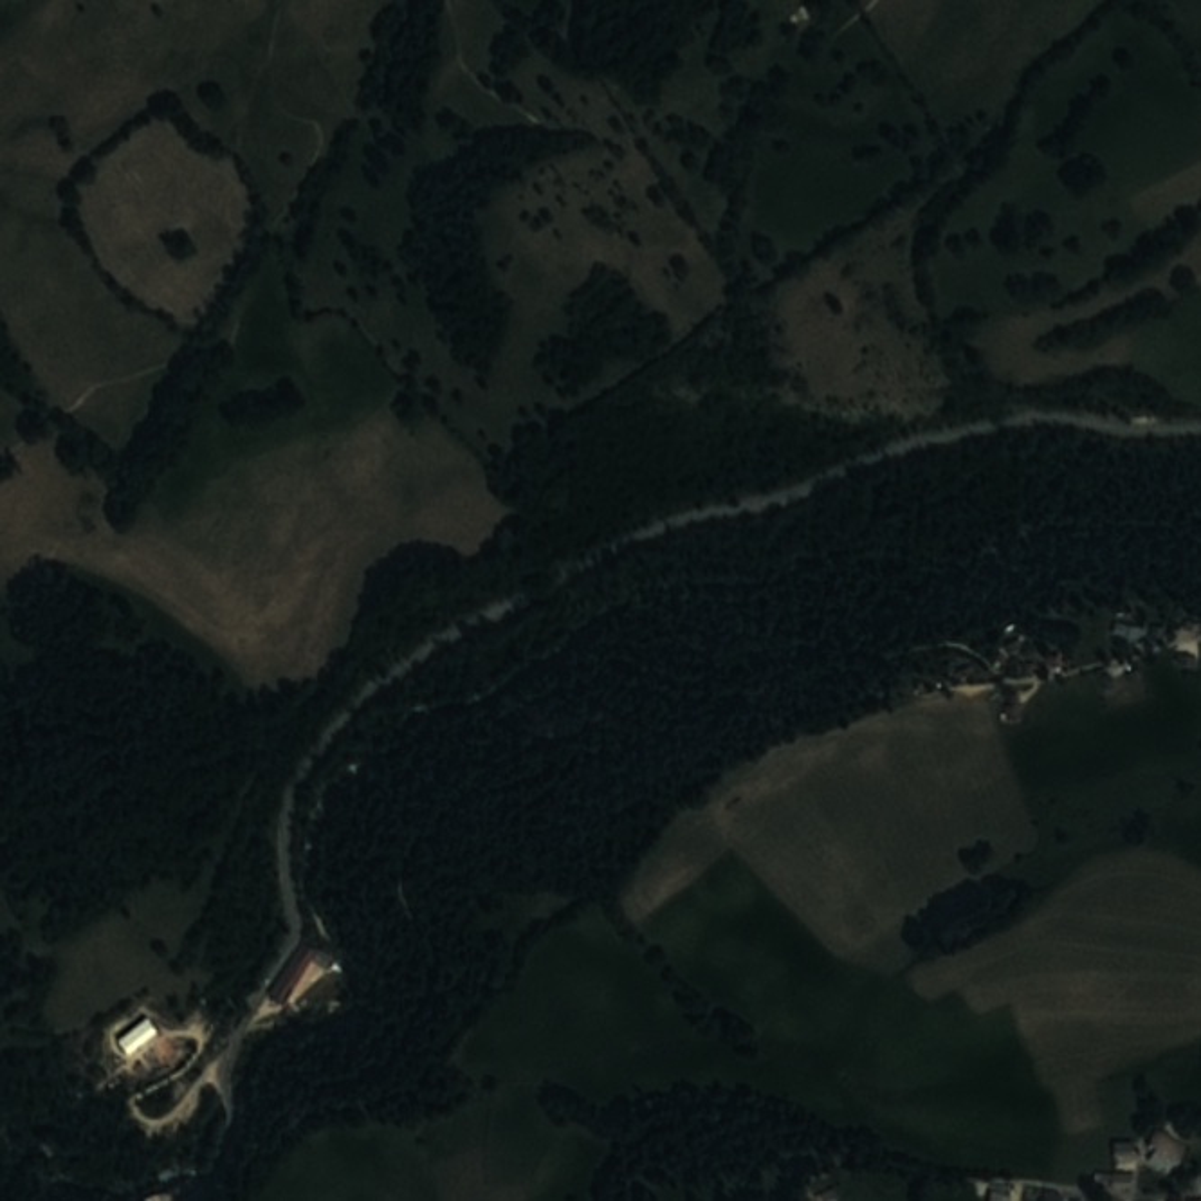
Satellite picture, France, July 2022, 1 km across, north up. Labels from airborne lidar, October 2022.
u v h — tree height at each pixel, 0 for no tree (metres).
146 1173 15
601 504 8
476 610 6
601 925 0
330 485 0
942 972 0
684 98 0
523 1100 0
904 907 0
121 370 0
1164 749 0
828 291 0
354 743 17
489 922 0
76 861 13
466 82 0
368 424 0
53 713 25
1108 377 19
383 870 13
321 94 0
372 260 20
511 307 7
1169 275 0
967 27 0
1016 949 0
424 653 0
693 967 0
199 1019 0
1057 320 0
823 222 0
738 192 11
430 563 26
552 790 17
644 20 16
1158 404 6
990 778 0
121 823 18
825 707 21
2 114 0
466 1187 0
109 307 0
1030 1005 0
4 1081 17
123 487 24
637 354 8
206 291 0
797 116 0
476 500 0
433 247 11
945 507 22
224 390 0
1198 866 0
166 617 0
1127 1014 0
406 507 0
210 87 12
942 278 0
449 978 15
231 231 0
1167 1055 0
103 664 28
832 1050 0
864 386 0
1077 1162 0
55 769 31
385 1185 0
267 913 13
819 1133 21
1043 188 0
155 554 0
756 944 0
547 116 13
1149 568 18
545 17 8
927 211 8
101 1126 10
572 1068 0
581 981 0
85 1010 0
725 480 8
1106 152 0
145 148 0
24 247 0
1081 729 0
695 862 0
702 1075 0
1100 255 0
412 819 23
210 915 9
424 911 12
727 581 16
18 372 7
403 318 0
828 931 0
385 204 0
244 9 0
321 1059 25
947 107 0
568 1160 0
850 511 16
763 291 10
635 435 9
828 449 9
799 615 8
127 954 0
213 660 0
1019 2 0
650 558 17
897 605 7
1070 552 26
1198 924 0
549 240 0
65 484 0
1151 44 0
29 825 7
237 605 0
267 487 0
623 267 0
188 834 22
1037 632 22
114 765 28
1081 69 0
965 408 6
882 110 0
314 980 0
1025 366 0
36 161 0
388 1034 23
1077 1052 0
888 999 0
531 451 13
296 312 9
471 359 14
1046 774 0
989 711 0
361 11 0
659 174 12
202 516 0
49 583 25
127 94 0
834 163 0
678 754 24
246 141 0
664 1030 0
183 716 27
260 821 11
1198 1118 20
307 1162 0
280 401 21
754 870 0
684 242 0
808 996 0
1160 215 0
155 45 0
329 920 11
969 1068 0
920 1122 0
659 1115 19
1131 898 0
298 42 0
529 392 0
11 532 0
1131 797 0
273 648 0
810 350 0
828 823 0
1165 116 0
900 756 0
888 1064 0
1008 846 0
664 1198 0
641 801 18
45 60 0
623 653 7
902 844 0
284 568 0
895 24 0
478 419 0
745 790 0
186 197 0
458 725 15
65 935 7
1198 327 0
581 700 28
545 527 16
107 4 0
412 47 11
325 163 7
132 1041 0
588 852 14
